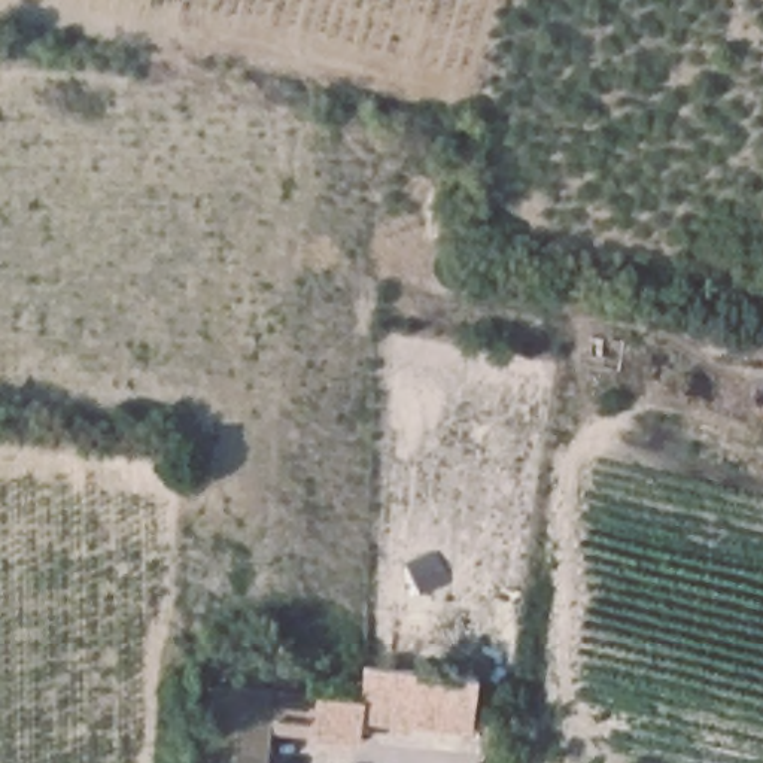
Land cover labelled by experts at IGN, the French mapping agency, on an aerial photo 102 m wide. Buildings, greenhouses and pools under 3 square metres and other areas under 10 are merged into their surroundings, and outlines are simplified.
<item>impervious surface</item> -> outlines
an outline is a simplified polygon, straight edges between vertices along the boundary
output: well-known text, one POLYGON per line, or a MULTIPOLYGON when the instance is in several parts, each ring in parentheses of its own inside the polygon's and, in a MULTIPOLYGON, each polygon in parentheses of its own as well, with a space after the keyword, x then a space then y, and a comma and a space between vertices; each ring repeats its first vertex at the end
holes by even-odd
POLYGON ((301 739, 310 763, 480 763, 483 742, 474 727, 468 736, 432 730, 408 733, 405 727, 393 727, 390 733, 373 739, 361 736, 358 742, 325 742, 316 739, 310 730, 301 739))

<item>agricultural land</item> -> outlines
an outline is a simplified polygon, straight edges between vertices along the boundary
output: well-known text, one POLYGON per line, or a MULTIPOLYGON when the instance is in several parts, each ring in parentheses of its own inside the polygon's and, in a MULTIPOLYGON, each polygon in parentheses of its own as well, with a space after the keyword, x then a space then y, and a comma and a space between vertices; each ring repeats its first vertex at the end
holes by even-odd
POLYGON ((587 513, 581 516, 587 525, 581 548, 587 563, 590 605, 584 614, 578 650, 584 659, 578 694, 584 703, 599 706, 593 721, 608 721, 617 712, 626 712, 629 730, 611 733, 611 748, 617 748, 617 757, 611 763, 763 763, 763 501, 721 486, 671 477, 662 468, 608 459, 596 459, 593 489, 587 492, 587 513))

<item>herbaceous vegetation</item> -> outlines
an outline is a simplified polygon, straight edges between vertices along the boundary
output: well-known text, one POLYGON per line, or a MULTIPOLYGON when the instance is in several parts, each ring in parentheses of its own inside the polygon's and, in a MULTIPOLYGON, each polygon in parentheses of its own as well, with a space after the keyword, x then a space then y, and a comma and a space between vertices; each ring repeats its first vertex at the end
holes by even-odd
POLYGON ((516 191, 525 197, 519 203, 519 218, 536 229, 587 232, 596 244, 617 241, 626 247, 647 247, 674 256, 686 247, 680 221, 683 215, 703 215, 703 197, 754 206, 763 215, 763 0, 504 0, 504 6, 498 9, 498 24, 492 30, 498 48, 486 54, 486 60, 480 63, 474 95, 492 98, 510 116, 504 146, 507 155, 519 164, 516 191))
POLYGON ((271 757, 265 763, 310 763, 301 739, 274 736, 271 757))
POLYGON ((244 465, 221 480, 212 480, 197 495, 182 495, 179 539, 176 578, 179 617, 170 626, 170 638, 179 632, 203 632, 206 611, 241 608, 271 593, 280 593, 283 602, 325 599, 349 611, 352 617, 376 617, 382 551, 376 539, 376 525, 382 513, 382 432, 387 411, 387 390, 382 382, 382 343, 370 340, 367 334, 376 313, 379 286, 384 280, 402 283, 396 313, 417 316, 423 328, 420 334, 450 340, 459 334, 462 322, 498 319, 483 301, 477 304, 459 289, 447 289, 435 277, 441 229, 435 218, 438 188, 432 185, 432 179, 420 176, 405 161, 408 149, 399 140, 405 137, 405 116, 382 116, 373 101, 361 101, 358 113, 346 128, 322 125, 328 107, 328 86, 310 77, 301 80, 283 72, 253 69, 244 57, 194 57, 188 72, 179 72, 170 63, 152 60, 155 45, 140 33, 131 33, 128 39, 98 39, 83 33, 80 27, 60 27, 57 12, 39 6, 36 0, 0 0, 0 379, 6 384, 24 384, 30 379, 45 382, 69 390, 72 396, 92 399, 104 408, 119 405, 125 399, 194 399, 209 405, 209 411, 215 411, 224 423, 241 426, 247 444, 244 465))
POLYGON ((554 361, 554 405, 548 411, 548 435, 542 444, 542 462, 536 474, 534 513, 528 516, 534 536, 525 551, 525 578, 531 584, 542 581, 545 575, 551 578, 557 569, 557 539, 548 536, 554 459, 560 447, 566 447, 578 435, 581 423, 596 420, 599 414, 599 396, 611 387, 632 387, 632 393, 638 396, 623 411, 632 420, 632 429, 623 432, 623 441, 608 459, 662 468, 671 477, 721 486, 763 501, 763 349, 721 349, 680 331, 656 331, 641 319, 614 319, 608 328, 599 325, 596 316, 575 316, 569 322, 566 310, 545 319, 534 316, 528 322, 551 334, 551 346, 539 358, 554 361))

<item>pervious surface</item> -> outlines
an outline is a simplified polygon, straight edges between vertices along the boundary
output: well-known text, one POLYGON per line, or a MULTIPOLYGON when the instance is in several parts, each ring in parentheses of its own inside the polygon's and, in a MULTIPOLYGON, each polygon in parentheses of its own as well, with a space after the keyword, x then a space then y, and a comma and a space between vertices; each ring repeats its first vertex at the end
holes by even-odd
POLYGON ((382 343, 382 382, 387 390, 387 411, 382 432, 382 513, 376 525, 376 539, 382 551, 376 617, 382 653, 373 668, 408 674, 417 656, 447 656, 465 683, 477 683, 480 691, 495 691, 495 680, 504 680, 513 671, 525 578, 525 551, 534 536, 528 516, 534 513, 536 474, 542 462, 542 444, 548 435, 548 411, 554 405, 554 361, 539 358, 519 355, 504 367, 495 367, 486 352, 474 358, 462 355, 462 349, 450 340, 420 334, 390 334, 382 343))
POLYGON ((611 763, 617 757, 617 748, 611 748, 611 733, 629 730, 626 712, 617 712, 608 721, 593 721, 599 706, 584 703, 578 694, 584 659, 578 650, 584 614, 590 605, 587 563, 581 548, 587 525, 581 516, 587 513, 587 492, 593 489, 596 459, 608 459, 623 441, 623 432, 632 429, 632 420, 623 411, 611 417, 599 414, 596 420, 581 423, 578 435, 566 447, 560 447, 554 459, 548 536, 557 539, 557 569, 551 578, 554 602, 548 623, 545 686, 545 694, 554 703, 554 715, 563 721, 560 763, 611 763))

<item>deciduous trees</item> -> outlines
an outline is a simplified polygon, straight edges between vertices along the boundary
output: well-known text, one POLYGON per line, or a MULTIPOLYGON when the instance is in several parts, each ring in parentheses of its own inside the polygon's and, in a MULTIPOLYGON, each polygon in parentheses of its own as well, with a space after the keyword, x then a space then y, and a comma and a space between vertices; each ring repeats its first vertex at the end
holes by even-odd
POLYGON ((280 709, 313 709, 319 700, 358 703, 364 697, 364 671, 373 668, 382 653, 376 617, 352 617, 349 611, 325 599, 283 602, 280 593, 271 593, 241 608, 206 611, 203 632, 179 632, 170 638, 161 653, 158 683, 158 763, 209 763, 212 754, 221 748, 221 733, 250 730, 256 724, 274 721, 280 709))
POLYGON ((554 703, 545 694, 545 686, 539 680, 516 677, 513 671, 504 680, 495 680, 495 691, 480 691, 474 727, 483 742, 480 763, 560 763, 563 721, 554 715, 554 703))
POLYGON ((426 686, 444 688, 462 688, 465 683, 447 656, 417 656, 408 674, 426 686))
POLYGON ((30 379, 24 384, 6 384, 0 379, 0 447, 75 447, 80 456, 149 459, 164 486, 182 495, 197 495, 212 480, 221 480, 244 465, 247 444, 241 426, 224 423, 215 411, 209 411, 209 405, 194 399, 125 399, 119 405, 104 408, 92 399, 72 396, 69 390, 45 382, 30 379))
POLYGON ((703 215, 683 215, 680 221, 686 247, 674 256, 647 247, 626 247, 617 241, 596 244, 587 232, 536 229, 519 218, 519 203, 525 197, 516 191, 519 164, 507 155, 504 146, 510 116, 492 98, 474 95, 447 104, 405 101, 379 89, 358 86, 346 77, 328 86, 328 107, 322 125, 346 128, 358 113, 361 101, 373 101, 382 116, 405 116, 405 137, 399 140, 408 149, 405 161, 420 176, 432 179, 432 185, 438 188, 435 218, 441 229, 435 277, 447 289, 459 289, 477 304, 483 301, 498 319, 528 322, 534 316, 545 319, 566 310, 569 322, 575 316, 596 316, 599 325, 608 328, 614 319, 641 319, 656 331, 680 331, 721 349, 763 349, 763 215, 754 206, 703 197, 703 215))

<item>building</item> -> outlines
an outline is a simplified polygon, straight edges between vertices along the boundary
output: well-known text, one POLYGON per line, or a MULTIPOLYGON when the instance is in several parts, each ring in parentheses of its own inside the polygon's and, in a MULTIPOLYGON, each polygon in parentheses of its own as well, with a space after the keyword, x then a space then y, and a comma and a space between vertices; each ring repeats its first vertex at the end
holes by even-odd
POLYGON ((432 730, 468 736, 474 727, 480 691, 477 683, 465 683, 462 688, 444 688, 426 686, 408 674, 373 668, 364 671, 364 697, 358 703, 319 700, 313 709, 280 709, 274 721, 256 724, 250 730, 221 733, 221 748, 212 754, 209 763, 265 763, 271 757, 274 736, 301 739, 310 730, 316 739, 325 742, 358 742, 361 736, 373 739, 390 733, 393 727, 405 727, 408 733, 432 730))

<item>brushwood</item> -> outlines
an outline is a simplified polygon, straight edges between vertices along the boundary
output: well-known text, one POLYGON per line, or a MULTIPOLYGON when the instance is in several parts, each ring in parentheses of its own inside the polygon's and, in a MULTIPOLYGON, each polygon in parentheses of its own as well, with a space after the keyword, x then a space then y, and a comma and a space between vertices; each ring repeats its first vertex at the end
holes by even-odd
POLYGON ((599 396, 599 414, 611 417, 623 411, 638 396, 632 393, 632 387, 611 387, 599 396))
POLYGON ((462 322, 459 334, 450 340, 462 349, 462 355, 474 358, 486 352, 495 367, 504 367, 519 355, 539 358, 551 346, 551 334, 528 322, 498 319, 462 322))
POLYGON ((516 677, 539 680, 545 686, 548 623, 554 602, 551 578, 545 575, 542 581, 531 584, 525 578, 513 671, 516 677))
POLYGON ((402 283, 384 280, 379 286, 376 313, 367 334, 370 340, 382 343, 390 334, 420 334, 423 328, 417 316, 396 313, 402 283))

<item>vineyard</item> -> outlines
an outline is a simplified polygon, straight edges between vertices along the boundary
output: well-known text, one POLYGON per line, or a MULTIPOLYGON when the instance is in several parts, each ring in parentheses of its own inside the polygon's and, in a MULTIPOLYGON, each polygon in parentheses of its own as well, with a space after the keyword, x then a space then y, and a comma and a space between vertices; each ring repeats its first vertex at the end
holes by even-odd
POLYGON ((36 0, 39 6, 57 12, 60 27, 80 27, 83 33, 98 39, 128 39, 131 33, 140 33, 155 45, 152 60, 170 63, 179 72, 188 72, 194 57, 244 57, 253 69, 283 72, 301 80, 310 77, 328 86, 346 77, 358 86, 379 89, 405 101, 447 104, 474 95, 480 63, 486 60, 486 54, 498 48, 492 30, 498 24, 498 9, 504 6, 504 0, 36 0))
POLYGON ((107 492, 95 483, 95 471, 86 471, 83 492, 72 492, 66 474, 36 480, 33 474, 0 474, 0 763, 140 763, 137 754, 143 745, 146 718, 140 674, 143 638, 149 632, 149 623, 158 617, 158 602, 164 596, 161 575, 167 572, 176 578, 179 539, 158 542, 158 504, 149 495, 107 492))

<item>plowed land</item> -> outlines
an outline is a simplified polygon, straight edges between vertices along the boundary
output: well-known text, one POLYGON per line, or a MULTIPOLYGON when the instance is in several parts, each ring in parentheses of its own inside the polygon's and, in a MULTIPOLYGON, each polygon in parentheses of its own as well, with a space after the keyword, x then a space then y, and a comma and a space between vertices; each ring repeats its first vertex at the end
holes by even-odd
POLYGON ((176 578, 167 572, 161 575, 164 596, 158 602, 158 617, 149 623, 149 632, 143 638, 140 674, 146 718, 143 745, 137 754, 140 763, 158 763, 158 683, 161 653, 170 638, 170 626, 179 617, 176 578))
POLYGON ((95 483, 107 492, 149 495, 158 504, 158 542, 179 539, 182 495, 164 486, 149 459, 80 456, 75 447, 0 447, 0 474, 33 474, 36 480, 66 474, 72 492, 83 492, 86 471, 95 471, 95 483))

